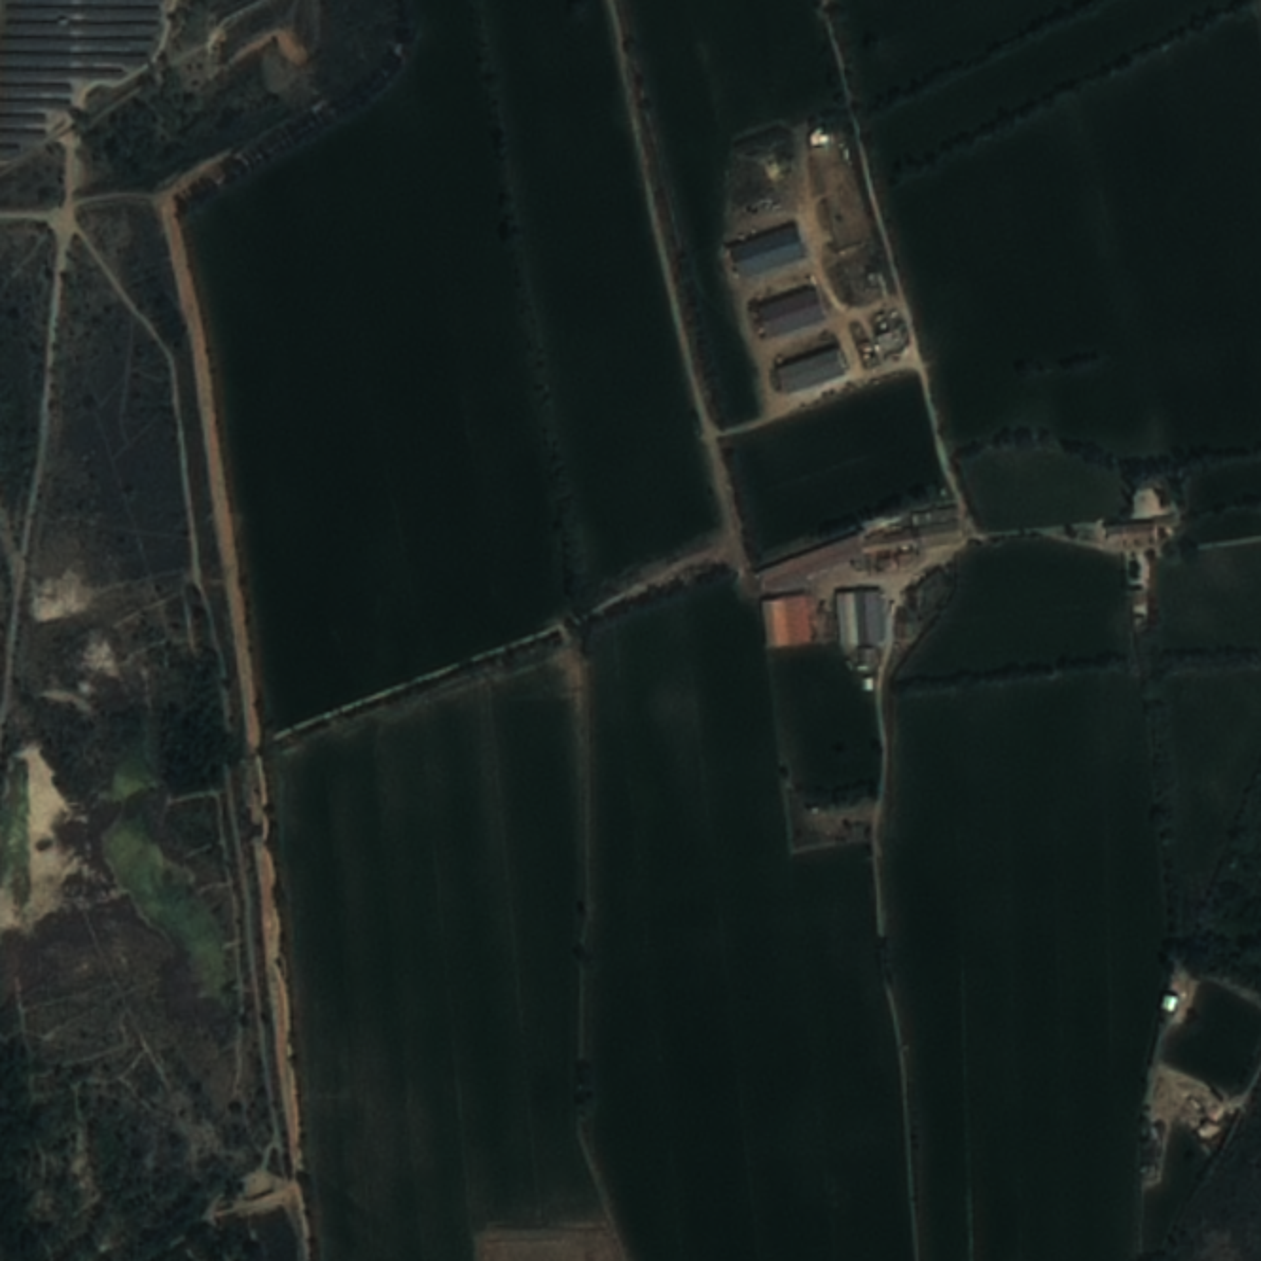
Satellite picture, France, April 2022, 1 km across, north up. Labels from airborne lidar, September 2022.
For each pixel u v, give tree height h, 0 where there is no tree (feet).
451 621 0
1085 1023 0
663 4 0
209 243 0
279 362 0
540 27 0
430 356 0
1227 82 0
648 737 0
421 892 0
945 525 0
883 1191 0
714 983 0
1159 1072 0
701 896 0
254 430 0
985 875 0
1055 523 0
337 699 0
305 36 0
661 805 0
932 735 0
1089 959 0
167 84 29
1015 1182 0
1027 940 0
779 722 0
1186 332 0
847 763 0
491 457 0
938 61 0
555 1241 0
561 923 0
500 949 0
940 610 22
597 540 0
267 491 0
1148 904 0
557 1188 0
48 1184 25
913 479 0
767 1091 0
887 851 0
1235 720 0
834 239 0
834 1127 0
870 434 0
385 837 0
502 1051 0
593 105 0
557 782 0
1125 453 0
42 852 0
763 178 0
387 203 0
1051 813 0
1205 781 0
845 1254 0
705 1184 0
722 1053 0
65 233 0
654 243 0
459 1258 0
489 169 0
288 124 0
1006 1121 0
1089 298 0
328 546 0
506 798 0
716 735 0
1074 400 0
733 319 0
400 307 0
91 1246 49
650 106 25
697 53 0
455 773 0
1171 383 0
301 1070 20
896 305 0
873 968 0
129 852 0
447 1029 0
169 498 0
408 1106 0
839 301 0
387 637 0
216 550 0
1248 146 0
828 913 0
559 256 0
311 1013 0
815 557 0
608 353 0
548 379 0
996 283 0
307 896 0
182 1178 25
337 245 0
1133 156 0
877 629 0
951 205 0
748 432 0
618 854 0
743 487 20
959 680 29
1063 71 0
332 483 0
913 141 0
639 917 0
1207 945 28
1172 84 0
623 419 0
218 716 39
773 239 0
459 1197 0
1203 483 0
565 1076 0
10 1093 48
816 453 0
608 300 0
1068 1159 0
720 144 0
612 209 0
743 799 0
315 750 0
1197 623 0
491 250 0
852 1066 0
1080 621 0
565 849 0
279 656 0
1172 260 0
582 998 0
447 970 0
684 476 0
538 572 0
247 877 0
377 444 0
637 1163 0
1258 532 0
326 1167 0
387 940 0
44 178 0
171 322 39
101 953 0
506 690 0
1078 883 0
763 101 0
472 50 0
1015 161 0
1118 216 0
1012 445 23
